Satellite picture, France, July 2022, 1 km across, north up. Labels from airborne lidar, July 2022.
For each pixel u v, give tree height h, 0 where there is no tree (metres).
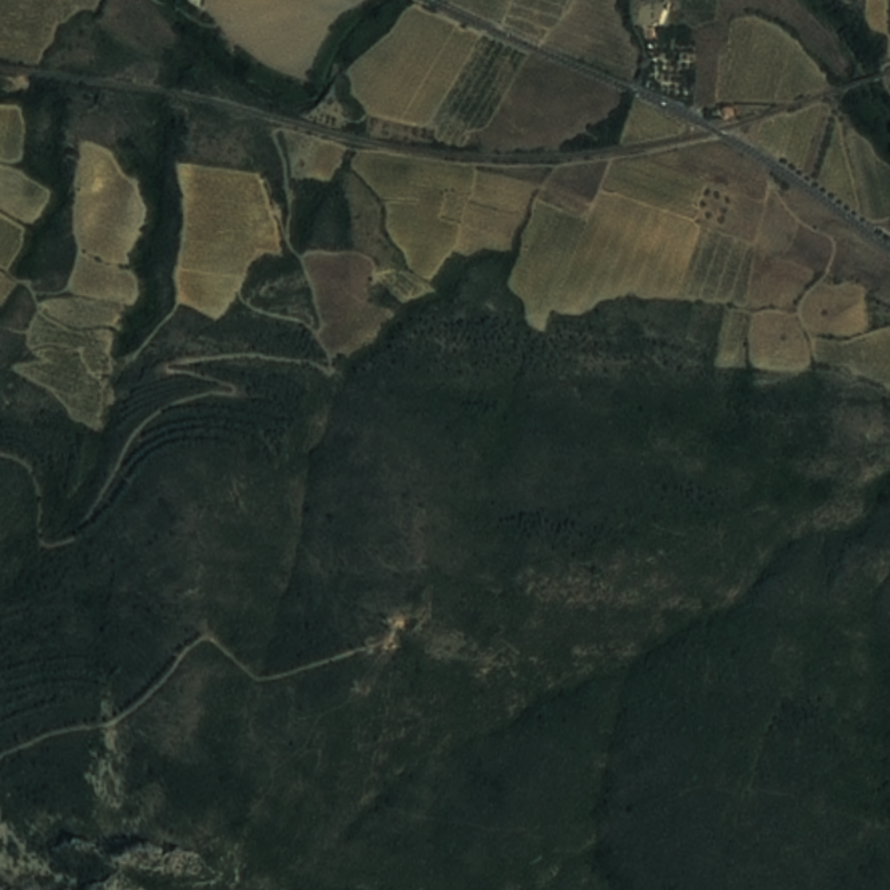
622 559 0
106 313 0
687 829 0
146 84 0
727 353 0
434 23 0
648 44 7
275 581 0
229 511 0
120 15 0
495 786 6
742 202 0
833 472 0
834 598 0
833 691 0
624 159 0
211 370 12
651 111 0
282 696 0
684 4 0
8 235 0
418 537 0
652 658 7
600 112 0
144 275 6
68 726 8
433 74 0
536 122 0
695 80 6
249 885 0
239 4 0
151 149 6
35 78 8
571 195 0
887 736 8
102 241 0
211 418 8
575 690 6
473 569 0
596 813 7
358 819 7
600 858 7
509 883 0
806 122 0
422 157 0
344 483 0
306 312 0
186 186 0
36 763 7
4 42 0
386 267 0
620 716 7
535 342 7
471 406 10
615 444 0
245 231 0
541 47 0
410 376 0
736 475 0
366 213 0
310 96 8
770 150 0
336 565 0
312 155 0
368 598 0
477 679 0
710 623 7
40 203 0
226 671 0
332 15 0
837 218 0
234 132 0
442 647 0
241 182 0
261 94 10
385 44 0
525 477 0
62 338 0
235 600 0
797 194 0
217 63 6
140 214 0
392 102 0
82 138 0
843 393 0
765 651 0
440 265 0
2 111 0
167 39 0
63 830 6
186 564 0
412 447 0
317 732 0
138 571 0
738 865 0
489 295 0
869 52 14
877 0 0
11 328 0
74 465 14
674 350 7
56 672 6
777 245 0
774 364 0
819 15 6
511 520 9
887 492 12
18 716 7
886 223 0
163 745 0
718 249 0
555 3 0
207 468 0
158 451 10
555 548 7
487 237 0
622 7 10
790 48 0
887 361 0
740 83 0
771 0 0
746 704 0
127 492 9
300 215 7
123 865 0
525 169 0
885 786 11
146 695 8
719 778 0
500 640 0
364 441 0
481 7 0
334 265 0
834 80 6
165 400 5
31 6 0
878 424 0
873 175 0
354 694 0
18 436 7
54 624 6
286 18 0
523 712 8
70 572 10
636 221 0
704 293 0
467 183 0
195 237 0
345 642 0
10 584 8
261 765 0
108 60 0
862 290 0
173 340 0
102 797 0
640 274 0
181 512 0
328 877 0
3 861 0
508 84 0
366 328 0
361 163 0
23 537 5
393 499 0
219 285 0
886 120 15
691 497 10
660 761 0
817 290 0
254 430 11
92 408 0
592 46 0
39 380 0
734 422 6
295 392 12
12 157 0
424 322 8
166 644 0
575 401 0
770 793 0
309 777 6
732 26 0
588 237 0
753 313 0
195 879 0
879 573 0
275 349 7
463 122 0
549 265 0
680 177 0
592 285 0
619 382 0
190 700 0
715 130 0
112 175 0
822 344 0
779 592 0
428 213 0
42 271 0
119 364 0
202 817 0
